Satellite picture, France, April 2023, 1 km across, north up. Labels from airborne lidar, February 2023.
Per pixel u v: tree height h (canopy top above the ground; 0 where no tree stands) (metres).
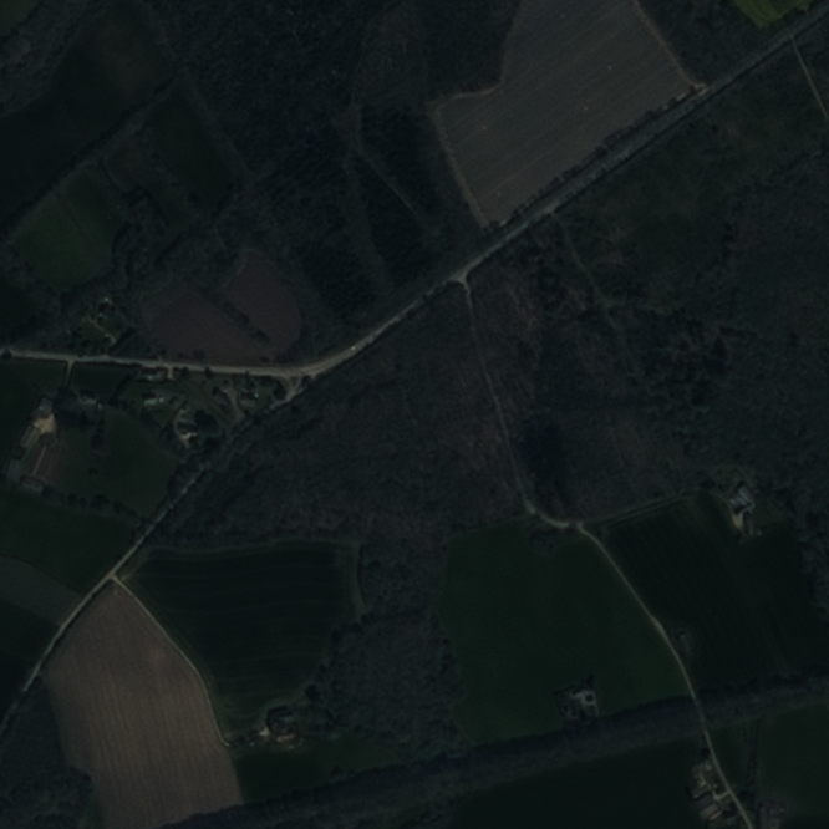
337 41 8
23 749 13
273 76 12
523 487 18
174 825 0
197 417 6
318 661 0
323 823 24
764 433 13
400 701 17
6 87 11
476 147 0
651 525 0
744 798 10
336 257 16
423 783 25
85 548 0
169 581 0
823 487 13
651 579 0
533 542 9
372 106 10
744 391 21
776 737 0
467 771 22
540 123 0
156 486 0
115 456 0
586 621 0
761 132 0
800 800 0
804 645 0
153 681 0
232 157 13
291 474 15
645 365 12
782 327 12
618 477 17
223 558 0
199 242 17
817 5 10
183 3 10
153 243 0
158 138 0
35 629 0
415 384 11
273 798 0
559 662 0
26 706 14
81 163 10
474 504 14
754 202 12
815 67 14
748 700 21
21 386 0
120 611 0
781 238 11
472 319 12
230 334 0
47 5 15
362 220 11
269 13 7
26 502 0
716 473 8
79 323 8
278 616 0
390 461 8
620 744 25
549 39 0
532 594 0
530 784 0
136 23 0
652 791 0
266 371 0
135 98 0
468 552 0
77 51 0
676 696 0
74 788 17
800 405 12
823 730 0
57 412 21
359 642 11
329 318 18
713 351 8
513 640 0
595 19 0
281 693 0
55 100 0
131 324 17
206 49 9
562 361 19
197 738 0
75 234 0
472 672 0
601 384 17
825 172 12
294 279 17
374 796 30
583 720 16
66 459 0
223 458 16
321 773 0
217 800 0
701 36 20
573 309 17
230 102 7
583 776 0
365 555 10
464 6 11
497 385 14
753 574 0
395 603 11
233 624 0
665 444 14
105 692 0
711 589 0
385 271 14
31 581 0
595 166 14
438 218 10
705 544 0
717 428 10
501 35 12
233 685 0
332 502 14
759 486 9
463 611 0
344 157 9
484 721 0
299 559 0
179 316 0
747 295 11
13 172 0
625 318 18
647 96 0
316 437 15
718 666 0
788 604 0
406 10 12
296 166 15
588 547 0
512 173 0
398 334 12
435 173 15
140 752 0
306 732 0
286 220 10
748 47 21
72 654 0
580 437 16
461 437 9
